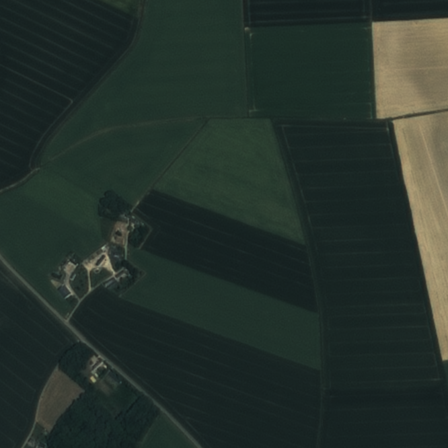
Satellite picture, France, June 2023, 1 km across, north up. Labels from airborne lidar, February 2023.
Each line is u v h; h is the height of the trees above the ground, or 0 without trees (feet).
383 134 0
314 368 0
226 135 0
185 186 0
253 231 0
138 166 0
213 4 0
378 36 0
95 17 0
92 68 0
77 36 0
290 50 0
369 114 0
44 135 0
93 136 0
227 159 0
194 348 0
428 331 0
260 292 0
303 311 0
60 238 0
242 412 0
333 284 0
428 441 0
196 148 0
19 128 0
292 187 0
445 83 0
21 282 0
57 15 0
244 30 0
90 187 0
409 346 0
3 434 0
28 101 0
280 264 0
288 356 0
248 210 0
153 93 0
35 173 0
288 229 0
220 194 0
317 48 0
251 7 0
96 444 65
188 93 0
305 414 0
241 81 0
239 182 0
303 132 0
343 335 0
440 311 0
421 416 0
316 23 0
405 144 0
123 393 0
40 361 0
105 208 32
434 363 0
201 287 0
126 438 21
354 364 0
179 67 0
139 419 73
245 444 0
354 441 0
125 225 0
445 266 0
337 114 0
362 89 0
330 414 0
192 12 0
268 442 0
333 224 0
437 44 0
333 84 0
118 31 0
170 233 0
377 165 0
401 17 0
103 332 0
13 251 0
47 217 0
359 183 0
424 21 0
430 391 0
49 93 0
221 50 0
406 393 0
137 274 49
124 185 0
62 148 0
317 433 0
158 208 0
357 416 0
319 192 0
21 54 0
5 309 0
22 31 0
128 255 0
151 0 0
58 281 0
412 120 0
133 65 0
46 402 0
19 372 0
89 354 63
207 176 0
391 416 0
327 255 0
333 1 0
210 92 0
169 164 0
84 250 0
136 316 0
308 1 0
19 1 0
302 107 0
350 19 0
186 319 0
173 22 0
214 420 0
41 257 0
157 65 0
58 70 0
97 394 0
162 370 0
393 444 0
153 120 0
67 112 0
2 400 0
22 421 0
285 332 0
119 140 0
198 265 0
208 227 0
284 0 0
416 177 0
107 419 64
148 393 0
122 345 0
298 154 0
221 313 0
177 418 0
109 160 0
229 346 0
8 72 0
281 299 0
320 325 0
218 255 0
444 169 0
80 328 0
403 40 0
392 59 0
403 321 0
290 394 0
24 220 0
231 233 0
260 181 0
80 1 0
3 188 0
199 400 0
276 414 0
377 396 0
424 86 0
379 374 0
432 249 0
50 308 0
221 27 0
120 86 0
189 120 0
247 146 0
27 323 0
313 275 0
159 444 0
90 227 0
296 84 0
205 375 0
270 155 0
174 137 0
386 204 0
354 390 0
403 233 0
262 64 0
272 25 0
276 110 0
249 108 0
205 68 0
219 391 0
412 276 0
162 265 0
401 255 0
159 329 0
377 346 0
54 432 37
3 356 0
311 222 0
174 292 0
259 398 0
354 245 0
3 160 0
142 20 0
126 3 0
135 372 0
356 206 0
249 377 0
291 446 0
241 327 0
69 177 0
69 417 34
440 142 0
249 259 0
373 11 0
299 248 0
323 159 0
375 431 0
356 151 0
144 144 0
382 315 0
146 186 0
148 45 0
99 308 0
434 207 0
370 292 0
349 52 0
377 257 0
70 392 0
